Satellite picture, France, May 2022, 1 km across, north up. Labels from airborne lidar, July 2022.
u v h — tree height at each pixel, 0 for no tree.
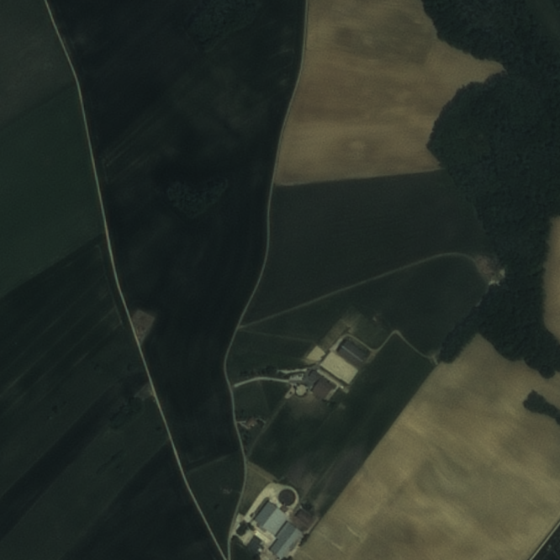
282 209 0
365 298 0
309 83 0
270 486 0
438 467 0
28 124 0
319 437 0
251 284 0
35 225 0
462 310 0
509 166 27
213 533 0
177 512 0
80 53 0
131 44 0
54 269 0
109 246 0
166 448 0
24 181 0
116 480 0
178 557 0
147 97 0
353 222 0
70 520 0
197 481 0
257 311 0
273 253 0
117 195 0
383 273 0
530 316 20
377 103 0
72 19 0
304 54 0
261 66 0
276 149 0
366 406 0
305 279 0
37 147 0
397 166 0
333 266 0
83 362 0
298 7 0
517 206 17
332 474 0
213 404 0
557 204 24
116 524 0
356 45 0
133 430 0
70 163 0
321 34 0
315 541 0
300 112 0
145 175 0
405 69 0
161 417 0
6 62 0
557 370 14
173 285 0
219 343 0
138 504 0
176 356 0
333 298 0
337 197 0
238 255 0
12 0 0
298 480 0
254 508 0
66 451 0
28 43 0
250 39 0
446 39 15
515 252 25
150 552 0
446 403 0
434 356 0
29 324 0
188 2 0
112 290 0
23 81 0
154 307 0
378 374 0
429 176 0
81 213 0
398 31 0
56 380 0
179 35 0
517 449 0
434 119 0
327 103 0
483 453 0
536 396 18
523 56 12
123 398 0
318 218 0
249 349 0
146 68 0
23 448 0
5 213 0
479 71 0
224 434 0
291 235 0
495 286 12
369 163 0
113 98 0
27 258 0
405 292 0
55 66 0
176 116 0
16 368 0
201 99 0
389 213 0
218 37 16
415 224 0
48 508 0
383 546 0
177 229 0
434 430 0
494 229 24
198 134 0
